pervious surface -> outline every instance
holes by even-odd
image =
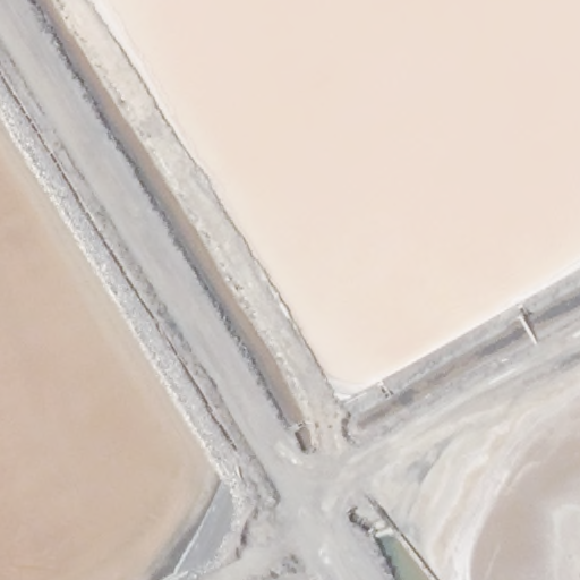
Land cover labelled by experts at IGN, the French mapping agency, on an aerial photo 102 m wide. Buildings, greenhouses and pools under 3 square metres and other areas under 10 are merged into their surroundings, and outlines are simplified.
[[[91,102],[84,97],[79,82],[66,68],[57,50],[57,43],[41,27],[29,0],[0,0],[0,122],[9,140],[23,156],[27,170],[34,174],[34,179],[48,195],[50,204],[54,206],[57,215],[70,231],[77,249],[82,251],[93,274],[102,283],[102,290],[113,301],[120,319],[127,324],[129,335],[138,344],[143,358],[150,363],[152,372],[156,374],[159,383],[170,396],[181,421],[199,444],[208,467],[218,474],[218,480],[211,485],[208,498],[199,510],[199,514],[204,514],[199,528],[184,548],[179,562],[174,564],[174,571],[161,580],[392,580],[383,557],[378,555],[376,544],[372,544],[365,537],[369,526],[374,526],[381,519],[392,530],[390,537],[399,541],[399,546],[406,551],[406,555],[415,562],[415,566],[426,580],[580,580],[580,308],[553,319],[539,331],[532,331],[523,317],[521,306],[526,310],[541,310],[553,304],[553,299],[562,299],[580,290],[580,254],[553,267],[544,276],[526,283],[517,292],[494,304],[492,308],[442,333],[428,344],[419,347],[417,351],[381,367],[369,376],[356,376],[353,381],[344,381],[335,390],[315,349],[306,340],[301,326],[297,324],[292,306],[281,295],[279,285],[272,281],[270,270],[254,254],[247,236],[240,231],[231,213],[227,211],[224,202],[220,199],[208,172],[195,161],[186,143],[179,138],[177,129],[159,106],[150,84],[131,61],[120,39],[111,32],[109,23],[102,18],[93,0],[52,0],[63,25],[75,36],[77,45],[86,54],[95,75],[100,77],[102,86],[111,95],[116,109],[122,113],[122,118],[134,129],[136,138],[152,156],[168,188],[177,197],[184,215],[197,229],[227,288],[238,299],[238,306],[251,319],[258,335],[276,358],[281,376],[288,383],[301,410],[301,417],[295,424],[288,424],[283,428],[283,424],[276,417],[276,410],[267,401],[256,374],[249,367],[249,360],[240,353],[236,340],[227,333],[218,310],[204,295],[184,254],[174,247],[168,227],[163,224],[161,215],[152,208],[138,179],[134,177],[134,170],[118,152],[116,143],[109,138]],[[430,390],[415,403],[396,410],[394,415],[376,421],[374,426],[358,428],[358,419],[363,417],[363,412],[372,410],[383,401],[390,401],[394,394],[403,392],[415,381],[426,378],[430,372],[437,372],[449,360],[494,340],[508,329],[510,322],[517,322],[523,329],[526,338],[521,342],[476,363],[462,376],[453,376],[444,385]]]

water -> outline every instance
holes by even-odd
[[[415,566],[415,562],[406,555],[406,551],[399,546],[399,541],[390,537],[392,530],[381,519],[374,526],[369,526],[365,537],[372,544],[376,544],[378,555],[383,557],[392,580],[426,580]]]
[[[453,376],[462,376],[476,363],[521,342],[526,338],[523,329],[517,322],[510,322],[508,329],[494,340],[449,360],[437,372],[430,372],[426,378],[415,381],[403,392],[394,394],[390,401],[383,401],[372,410],[363,412],[363,417],[358,419],[358,428],[374,426],[376,421],[394,415],[396,410],[415,403],[430,390],[444,385]]]
[[[353,381],[356,376],[369,376],[381,367],[417,351],[419,347],[428,344],[442,333],[492,308],[494,304],[517,292],[526,283],[544,276],[553,267],[580,254],[580,0],[93,0],[102,18],[109,23],[111,32],[120,39],[131,61],[150,84],[159,106],[177,129],[179,138],[186,143],[195,161],[208,172],[220,199],[224,202],[227,211],[231,213],[240,231],[247,236],[254,254],[270,270],[272,281],[279,285],[281,295],[292,306],[297,324],[301,326],[306,340],[315,349],[335,390],[344,381]]]
[[[523,317],[532,331],[539,331],[553,319],[580,308],[580,290],[562,299],[553,299],[553,304],[541,310],[526,310],[521,306]]]
[[[199,514],[199,510],[208,498],[211,485],[218,480],[218,474],[208,467],[199,444],[181,421],[170,396],[159,383],[156,374],[152,372],[150,363],[143,358],[138,344],[129,335],[127,324],[120,319],[113,301],[102,290],[102,283],[93,274],[82,251],[77,249],[70,231],[57,215],[54,206],[50,204],[48,195],[34,179],[34,174],[27,170],[23,156],[9,140],[0,122],[0,580],[161,580],[174,571],[174,564],[179,562],[184,548],[199,528],[204,514]]]
[[[118,152],[134,170],[134,177],[138,179],[152,208],[161,215],[163,224],[168,227],[174,247],[184,254],[204,295],[218,310],[227,333],[236,340],[240,353],[249,360],[249,367],[256,374],[267,401],[276,410],[276,417],[283,424],[283,428],[288,424],[295,424],[301,417],[301,410],[288,383],[281,376],[276,358],[258,335],[251,319],[238,306],[238,299],[227,288],[197,229],[184,215],[177,197],[168,188],[152,156],[136,138],[134,129],[122,118],[122,113],[116,109],[111,95],[102,86],[100,77],[95,75],[86,54],[77,45],[75,36],[63,25],[52,0],[29,0],[41,27],[57,43],[57,50],[66,68],[79,82],[84,97],[91,102],[109,138],[116,143]]]

